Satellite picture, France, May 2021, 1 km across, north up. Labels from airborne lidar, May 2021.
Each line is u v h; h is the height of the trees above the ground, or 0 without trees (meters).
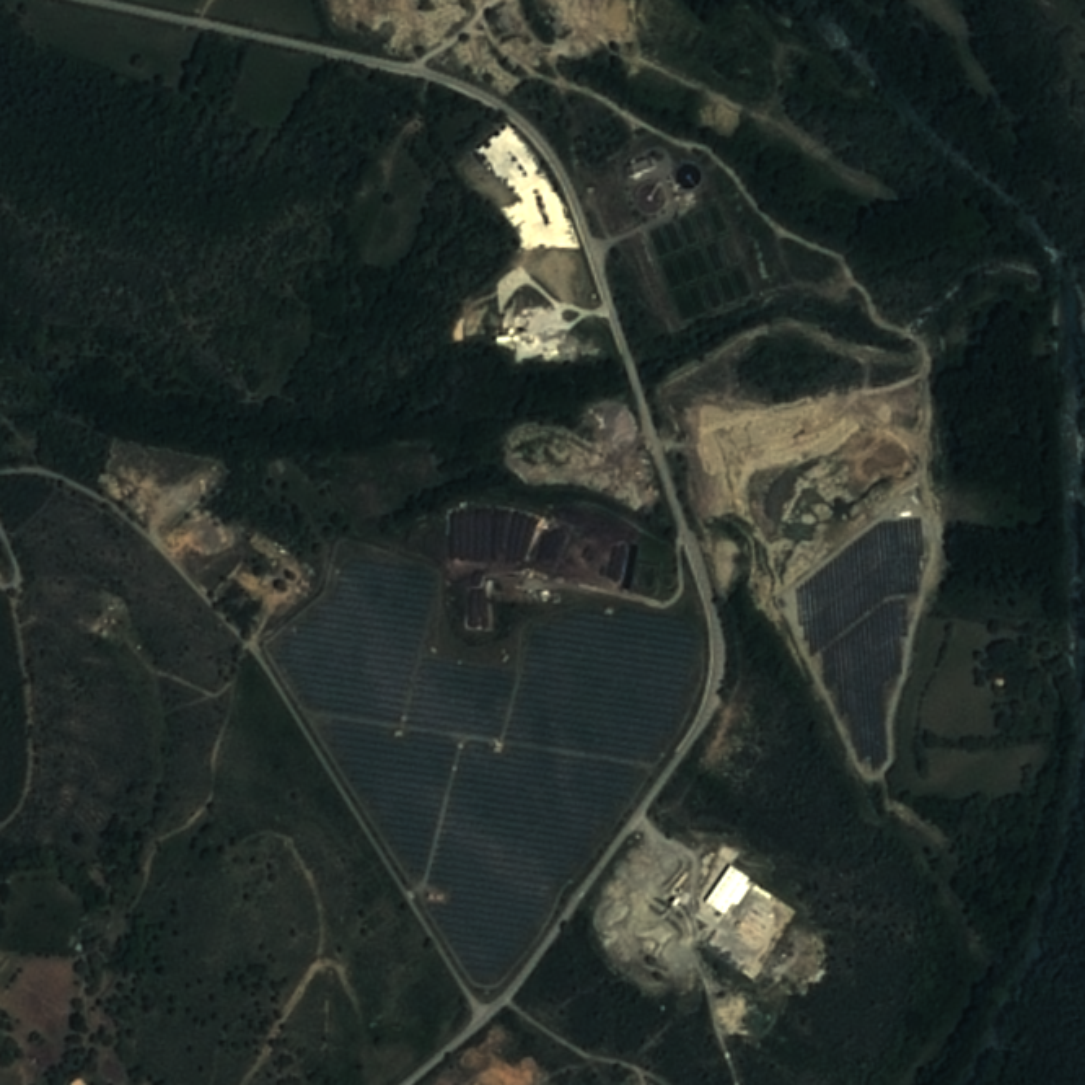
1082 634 0
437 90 11
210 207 8
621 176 0
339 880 0
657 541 0
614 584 0
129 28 0
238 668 10
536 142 0
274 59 0
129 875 8
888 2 24
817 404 0
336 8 0
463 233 9
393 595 0
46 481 7
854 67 17
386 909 0
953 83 23
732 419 0
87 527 0
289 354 0
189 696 0
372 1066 0
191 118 9
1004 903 7
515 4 0
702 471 0
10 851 6
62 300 11
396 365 8
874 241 19
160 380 11
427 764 0
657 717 0
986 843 11
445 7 0
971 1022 21
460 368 20
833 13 13
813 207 9
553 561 0
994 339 27
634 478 0
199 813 0
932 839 0
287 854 0
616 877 0
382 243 0
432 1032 0
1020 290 7
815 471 0
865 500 0
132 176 6
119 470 0
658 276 0
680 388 0
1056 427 19
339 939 0
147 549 0
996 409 25
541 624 0
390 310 8
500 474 7
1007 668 14
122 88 7
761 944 0
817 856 7
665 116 11
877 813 0
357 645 0
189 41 0
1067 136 17
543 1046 0
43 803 7
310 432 19
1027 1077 17
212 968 0
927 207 24
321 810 0
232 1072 0
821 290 0
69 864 12
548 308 0
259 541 0
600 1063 0
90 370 10
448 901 0
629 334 6
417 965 0
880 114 8
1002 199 18
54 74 7
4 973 0
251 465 7
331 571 0
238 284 9
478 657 0
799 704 7
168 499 0
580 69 7
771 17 6
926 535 0
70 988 0
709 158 5
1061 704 12
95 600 0
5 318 13
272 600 0
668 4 0
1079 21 0
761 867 0
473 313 0
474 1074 0
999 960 17
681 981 0
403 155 0
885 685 0
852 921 7
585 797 0
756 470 0
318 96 10
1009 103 19
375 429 17
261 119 0
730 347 0
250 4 0
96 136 10
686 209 0
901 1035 10
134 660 0
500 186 0
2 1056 10
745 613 13
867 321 12
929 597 0
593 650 0
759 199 9
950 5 0
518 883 0
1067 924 11
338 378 10
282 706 0
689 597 0
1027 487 21
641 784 0
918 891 8
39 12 0
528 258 0
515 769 0
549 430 0
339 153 10
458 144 7
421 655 0
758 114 0
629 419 0
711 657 0
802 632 0
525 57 0
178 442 16
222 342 10
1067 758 20
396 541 0
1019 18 14
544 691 0
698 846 0
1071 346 0
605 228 0
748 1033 0
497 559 0
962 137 25
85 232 7
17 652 6
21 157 9
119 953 6
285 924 0
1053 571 20
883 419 0
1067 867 17
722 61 6
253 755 0
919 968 8
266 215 5
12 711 9
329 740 0
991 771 0
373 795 0
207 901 0
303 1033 0
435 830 0
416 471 0
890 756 0
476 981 0
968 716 0
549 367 12
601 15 0
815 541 0
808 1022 9
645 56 0
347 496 0
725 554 0
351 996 0
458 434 7
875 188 0
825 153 0
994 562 18
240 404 9
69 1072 9
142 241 7
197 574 0
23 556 6
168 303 8
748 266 0
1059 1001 10
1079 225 14
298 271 8
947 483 0
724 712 0
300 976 0
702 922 0
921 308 8
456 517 0
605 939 0
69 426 6
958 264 13
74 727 0
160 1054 0
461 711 0
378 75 12
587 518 0
